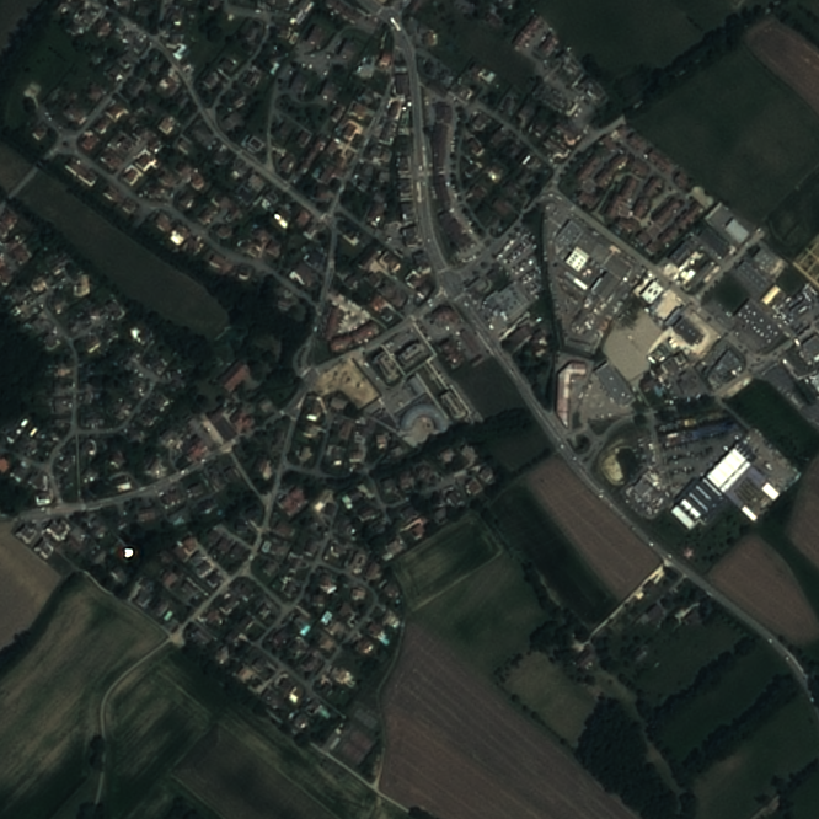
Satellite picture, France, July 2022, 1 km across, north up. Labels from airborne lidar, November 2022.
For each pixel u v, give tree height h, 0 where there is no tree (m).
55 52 9
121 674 0
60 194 0
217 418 0
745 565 0
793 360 0
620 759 25
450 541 0
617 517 0
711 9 0
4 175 0
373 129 0
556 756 0
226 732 0
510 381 0
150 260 0
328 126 0
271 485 10
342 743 0
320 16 11
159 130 8
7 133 14
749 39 0
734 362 0
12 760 0
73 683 0
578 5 0
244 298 29
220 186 8
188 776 0
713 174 0
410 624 0
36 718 0
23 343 25
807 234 0
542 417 0
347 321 0
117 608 0
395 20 0
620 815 0
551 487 0
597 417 0
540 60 0
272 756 0
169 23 9
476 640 0
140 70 15
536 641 13
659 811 22
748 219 0
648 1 0
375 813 0
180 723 0
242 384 7
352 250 0
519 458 0
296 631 8
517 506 0
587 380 0
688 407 16
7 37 0
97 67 7
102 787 0
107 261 0
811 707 0
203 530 9
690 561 0
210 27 12
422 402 0
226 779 0
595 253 0
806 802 0
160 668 0
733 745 23
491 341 0
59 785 0
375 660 7
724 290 0
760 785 0
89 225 0
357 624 8
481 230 8
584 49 0
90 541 7
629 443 0
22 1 0
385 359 0
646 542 0
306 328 15
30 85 0
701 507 0
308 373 0
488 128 7
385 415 0
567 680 0
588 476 0
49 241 17
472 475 14
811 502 0
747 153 0
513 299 0
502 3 12
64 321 0
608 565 0
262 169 0
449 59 0
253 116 8
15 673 0
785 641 13
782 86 0
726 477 0
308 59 0
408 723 0
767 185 0
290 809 0
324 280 7
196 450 0
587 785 0
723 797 0
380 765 0
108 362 16
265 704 13
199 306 0
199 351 28
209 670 18
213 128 0
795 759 0
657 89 18
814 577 0
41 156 7
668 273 0
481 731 0
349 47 0
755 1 0
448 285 0
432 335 0
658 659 0
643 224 0
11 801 0
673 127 0
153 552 20
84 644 0
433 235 0
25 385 27
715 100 0
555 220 0
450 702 0
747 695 0
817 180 0
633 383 0
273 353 11
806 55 0
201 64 0
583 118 0
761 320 0
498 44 0
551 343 15
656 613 0
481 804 0
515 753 0
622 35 0
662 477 0
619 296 0
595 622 0
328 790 0
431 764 0
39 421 7
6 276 0
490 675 0
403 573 0
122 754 0
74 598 0
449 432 15
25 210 12
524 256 0
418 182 0
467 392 0
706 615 20
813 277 0
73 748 0
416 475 7
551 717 0
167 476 0
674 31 0
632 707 0
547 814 0
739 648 13
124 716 0
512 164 15
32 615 0
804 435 0
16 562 0
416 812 13
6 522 0
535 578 17
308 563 0
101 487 19
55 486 0
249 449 12
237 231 12
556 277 0
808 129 0
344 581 10
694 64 20
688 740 0
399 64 11
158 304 0
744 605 0
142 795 0
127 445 21
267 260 0
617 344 0
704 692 14
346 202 13
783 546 0
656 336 0
